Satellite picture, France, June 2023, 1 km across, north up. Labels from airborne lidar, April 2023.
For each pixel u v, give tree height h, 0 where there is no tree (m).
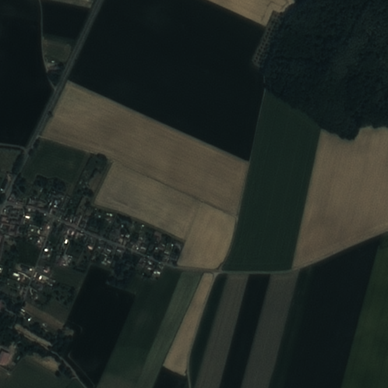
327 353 0
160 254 9
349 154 0
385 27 22
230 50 0
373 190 0
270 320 0
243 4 0
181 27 0
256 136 0
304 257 0
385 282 0
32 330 7
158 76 0
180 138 0
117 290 0
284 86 21
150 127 0
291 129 0
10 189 0
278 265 0
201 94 0
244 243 0
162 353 0
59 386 0
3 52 0
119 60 0
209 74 0
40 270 0
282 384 0
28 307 0
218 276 0
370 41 25
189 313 0
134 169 0
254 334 0
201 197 0
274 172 0
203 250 0
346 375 0
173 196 0
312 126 0
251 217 0
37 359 0
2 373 0
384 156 0
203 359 0
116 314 0
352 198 0
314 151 0
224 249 0
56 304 0
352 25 24
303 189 0
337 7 16
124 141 0
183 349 0
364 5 23
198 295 0
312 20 25
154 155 0
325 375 0
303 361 0
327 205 0
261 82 0
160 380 0
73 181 0
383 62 18
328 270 0
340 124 23
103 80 0
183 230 0
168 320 0
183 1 0
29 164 0
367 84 24
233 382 0
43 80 0
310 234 0
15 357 0
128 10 0
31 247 0
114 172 0
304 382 0
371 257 0
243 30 0
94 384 0
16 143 0
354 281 0
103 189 0
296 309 0
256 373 0
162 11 0
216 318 0
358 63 23
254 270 0
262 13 0
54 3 0
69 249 0
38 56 0
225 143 0
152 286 0
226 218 0
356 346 0
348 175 0
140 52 0
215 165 0
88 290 0
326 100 20
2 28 0
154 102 0
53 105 0
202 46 0
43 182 15
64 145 0
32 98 0
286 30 14
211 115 0
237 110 0
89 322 0
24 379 0
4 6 0
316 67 21
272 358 0
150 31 0
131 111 0
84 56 0
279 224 0
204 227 0
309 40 17
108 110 0
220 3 0
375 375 0
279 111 0
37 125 0
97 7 0
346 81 16
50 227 0
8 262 8
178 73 0
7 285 0
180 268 0
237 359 0
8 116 0
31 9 0
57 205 8
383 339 0
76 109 0
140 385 0
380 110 21
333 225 0
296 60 27
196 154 0
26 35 0
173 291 0
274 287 0
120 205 0
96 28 0
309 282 0
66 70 0
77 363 0
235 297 0
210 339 0
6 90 0
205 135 0
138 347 0
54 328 0
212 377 0
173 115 0
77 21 0
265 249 0
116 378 0
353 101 26
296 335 0
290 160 0
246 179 0
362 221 0
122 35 0
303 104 21
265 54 7
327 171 0
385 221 0
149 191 0
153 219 0
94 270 0
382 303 0
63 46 0
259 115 0
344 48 27
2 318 8
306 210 0
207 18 0
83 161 0
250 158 0
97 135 0
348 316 0
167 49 0
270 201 0
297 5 18
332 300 0
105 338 0
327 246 0
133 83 0
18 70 0
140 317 0
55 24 0
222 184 0
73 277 0
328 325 0
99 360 0
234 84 0
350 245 0
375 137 0
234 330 0
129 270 16
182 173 0
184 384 0
